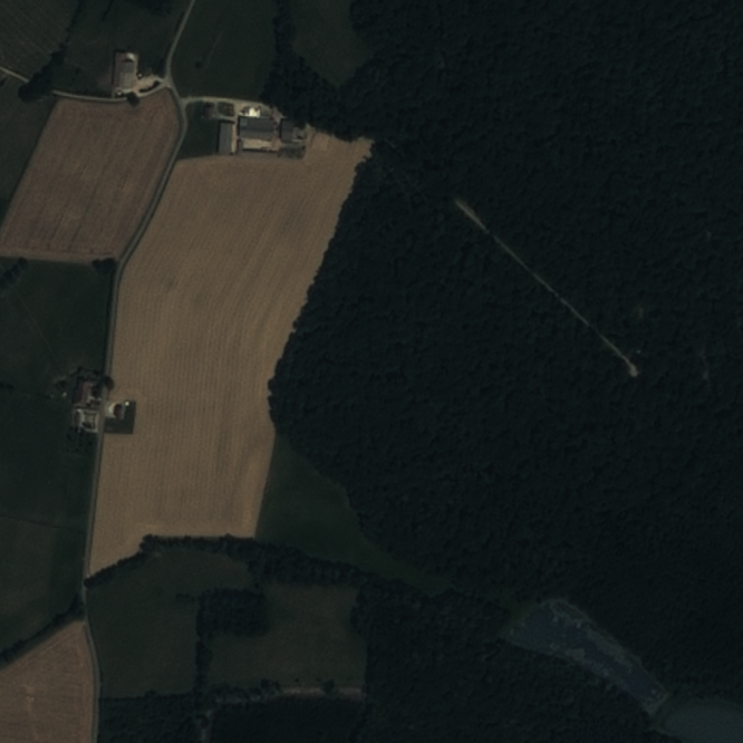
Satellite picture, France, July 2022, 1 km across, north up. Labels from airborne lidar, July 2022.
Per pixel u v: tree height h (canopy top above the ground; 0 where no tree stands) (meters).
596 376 23
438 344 24
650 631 11
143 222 0
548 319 20
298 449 16
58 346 0
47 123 0
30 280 0
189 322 0
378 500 21
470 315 23
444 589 0
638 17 21
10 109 0
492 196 24
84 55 0
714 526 15
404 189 23
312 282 0
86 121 0
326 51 0
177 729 10
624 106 28
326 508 0
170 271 0
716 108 23
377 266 24
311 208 0
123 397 0
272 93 22
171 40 0
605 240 21
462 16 27
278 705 8
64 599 0
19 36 0
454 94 26
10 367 0
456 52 22
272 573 26
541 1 22
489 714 20
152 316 0
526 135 21
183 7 0
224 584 0
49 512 0
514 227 20
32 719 0
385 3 26
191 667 0
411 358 25
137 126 0
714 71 21
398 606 24
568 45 25
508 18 26
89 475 0
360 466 25
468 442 22
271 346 0
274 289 0
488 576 26
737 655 15
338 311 23
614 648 0
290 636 0
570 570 27
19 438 0
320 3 0
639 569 17
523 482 30
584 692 19
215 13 0
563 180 23
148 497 0
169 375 0
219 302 0
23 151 0
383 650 23
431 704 20
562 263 23
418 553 21
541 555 24
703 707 0
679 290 25
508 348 23
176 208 0
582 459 25
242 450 0
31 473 0
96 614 0
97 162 0
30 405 0
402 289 19
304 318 14
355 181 0
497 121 25
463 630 25
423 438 26
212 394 0
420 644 26
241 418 0
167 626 0
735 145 23
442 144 23
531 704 24
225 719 16
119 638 0
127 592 0
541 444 25
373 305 23
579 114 26
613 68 19
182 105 0
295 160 0
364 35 17
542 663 22
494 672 25
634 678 0
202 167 0
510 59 25
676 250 24
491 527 16
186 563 0
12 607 0
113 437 0
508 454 27
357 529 0
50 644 0
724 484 15
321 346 24
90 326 0
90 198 0
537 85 22
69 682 0
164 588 0
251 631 20
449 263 19
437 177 25
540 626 0
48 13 0
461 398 25
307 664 0
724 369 26
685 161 15
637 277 24
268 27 0
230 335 0
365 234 25
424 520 24
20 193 0
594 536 18
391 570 0
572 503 26
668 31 19
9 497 0
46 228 0
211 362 0
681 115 27
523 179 22
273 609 0
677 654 7
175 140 0
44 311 0
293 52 17
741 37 19
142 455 0
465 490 26
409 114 16
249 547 25
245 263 0
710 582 16
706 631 15
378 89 25
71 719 0
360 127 19
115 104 0
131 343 0
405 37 30
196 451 0
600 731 27
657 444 23
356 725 8
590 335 17
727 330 24
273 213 0
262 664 0
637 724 27
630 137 24
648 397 25
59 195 0
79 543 0
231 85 0
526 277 23
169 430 0
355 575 24
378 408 23
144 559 13
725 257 24
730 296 23
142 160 0
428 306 21
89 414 0
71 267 0
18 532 0
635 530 15
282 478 0
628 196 27
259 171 0
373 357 18
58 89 0
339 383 23
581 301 22
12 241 0
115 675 0
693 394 25
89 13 0
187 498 0
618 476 25
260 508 0
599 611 12
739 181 18
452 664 25
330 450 19
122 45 0
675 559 15
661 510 17
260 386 0
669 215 24
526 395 23
